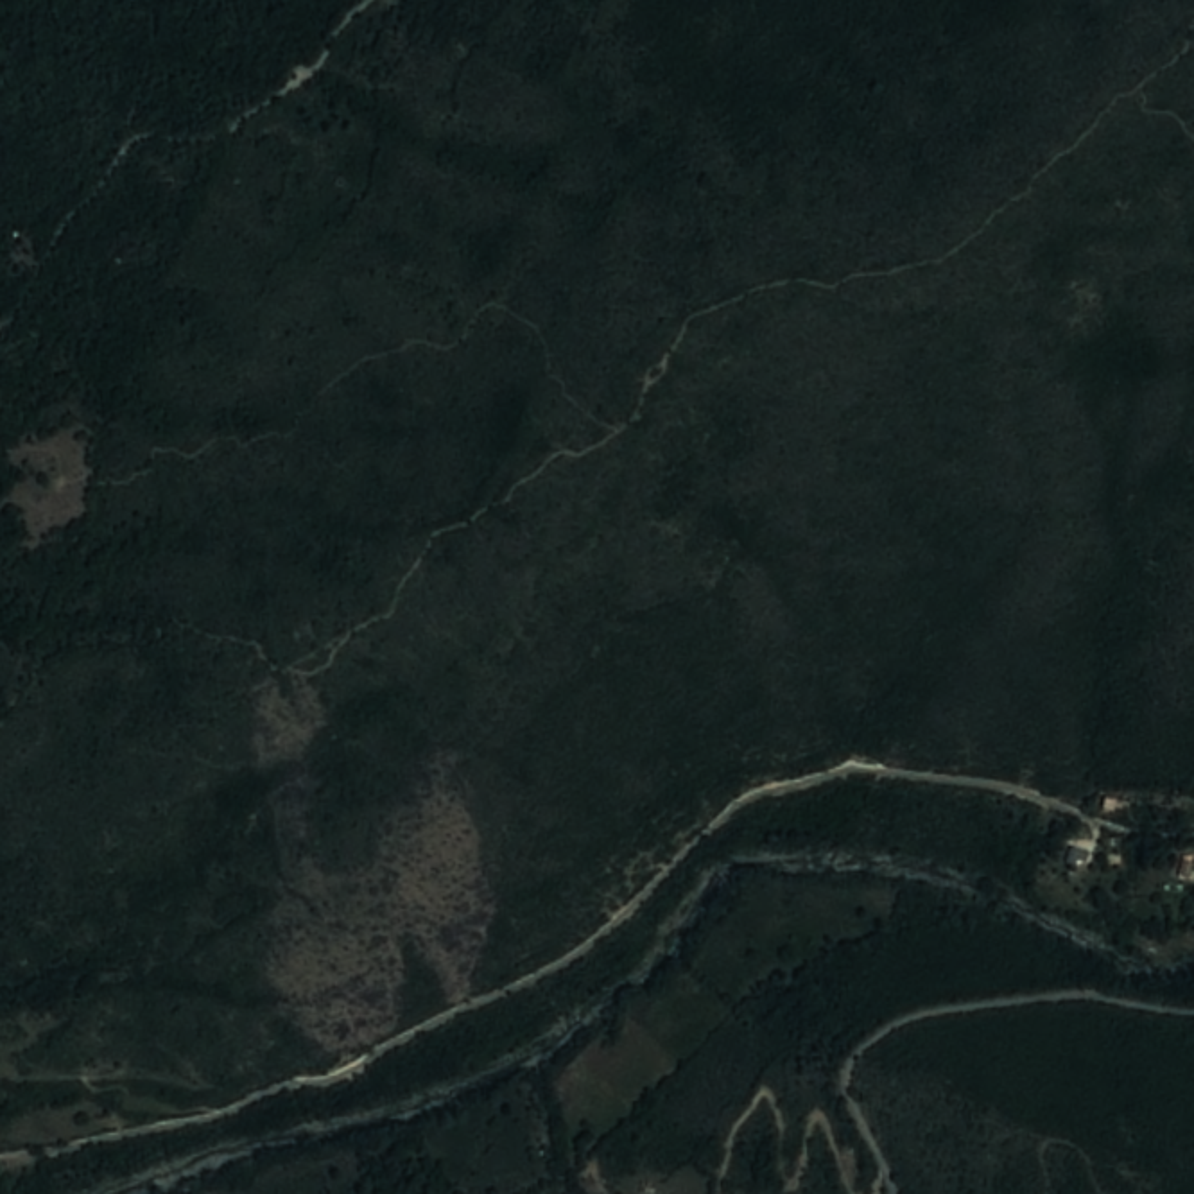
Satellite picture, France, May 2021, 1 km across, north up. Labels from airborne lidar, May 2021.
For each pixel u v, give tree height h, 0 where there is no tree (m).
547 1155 7
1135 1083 5
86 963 9
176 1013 8
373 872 0
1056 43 0
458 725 0
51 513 0
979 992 7
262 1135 21
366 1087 12
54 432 8
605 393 0
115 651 6
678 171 6
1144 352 6
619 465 0
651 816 9
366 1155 13
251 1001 5
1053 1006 6
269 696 0
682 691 6
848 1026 9
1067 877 7
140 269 10
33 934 7
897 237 0
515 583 0
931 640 6
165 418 8
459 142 6
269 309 0
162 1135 8
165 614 5
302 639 0
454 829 0
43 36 13
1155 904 9
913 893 7
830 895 0
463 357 0
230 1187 6
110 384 9
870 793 7
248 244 7
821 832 5
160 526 7
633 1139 5
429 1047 11
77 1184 13
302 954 0
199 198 8
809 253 0
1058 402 0
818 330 0
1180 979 19
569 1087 0
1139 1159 5
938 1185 0
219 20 15
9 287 9
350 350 0
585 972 13
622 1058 0
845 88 6
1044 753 5
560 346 0
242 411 7
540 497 0
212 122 13
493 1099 17
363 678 0
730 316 0
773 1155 7
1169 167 6
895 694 11
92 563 11
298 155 12
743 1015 8
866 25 7
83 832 0
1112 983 14
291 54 13
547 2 6
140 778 0
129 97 9
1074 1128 6
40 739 0
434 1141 0
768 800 7
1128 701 9
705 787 7
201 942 7
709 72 5
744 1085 0
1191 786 12
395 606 0
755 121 5
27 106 18
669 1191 0
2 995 10
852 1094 11
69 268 8
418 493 0
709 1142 8
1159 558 5
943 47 7
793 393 0
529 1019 6
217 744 0
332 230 9
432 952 0
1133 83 0
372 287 0
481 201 0
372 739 0
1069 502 0
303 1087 8
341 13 10
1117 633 6
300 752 0
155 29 8
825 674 6
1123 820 6
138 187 10
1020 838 7
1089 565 5
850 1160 0
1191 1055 7
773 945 0
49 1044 6
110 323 10
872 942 10
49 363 9
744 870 20
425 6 9
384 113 12
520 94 0
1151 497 6
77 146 6
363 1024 6
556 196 6
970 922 21
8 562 8
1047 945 10
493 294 8
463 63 6
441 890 0
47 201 9
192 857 5
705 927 7
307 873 0
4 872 6
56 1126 0
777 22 5
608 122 6
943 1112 0
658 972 17
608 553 0
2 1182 9
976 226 0
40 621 14
